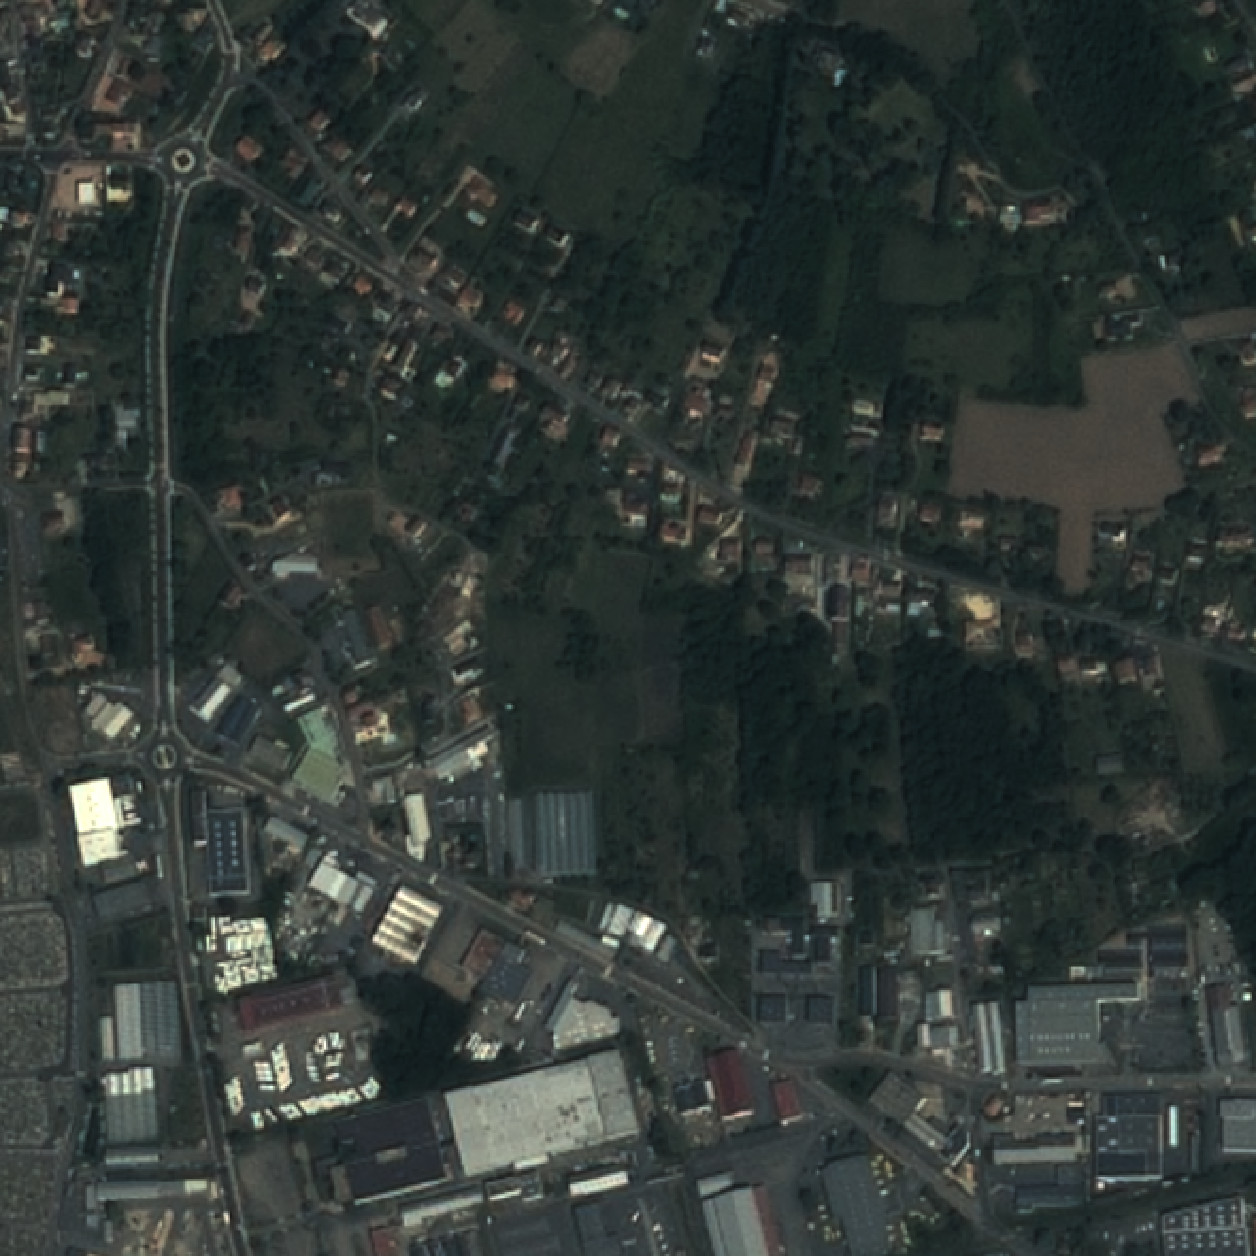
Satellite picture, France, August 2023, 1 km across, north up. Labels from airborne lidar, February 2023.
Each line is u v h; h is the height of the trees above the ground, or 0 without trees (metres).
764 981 0
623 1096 0
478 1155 0
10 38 0
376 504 0
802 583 0
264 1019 0
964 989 0
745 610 6
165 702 0
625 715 0
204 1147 0
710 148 9
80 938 0
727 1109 0
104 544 18
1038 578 13
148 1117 0
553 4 0
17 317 0
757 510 0
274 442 0
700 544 0
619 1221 0
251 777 0
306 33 23
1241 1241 0
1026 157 0
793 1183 0
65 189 0
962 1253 0
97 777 8
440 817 0
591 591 0
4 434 0
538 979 0
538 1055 0
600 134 0
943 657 10
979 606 0
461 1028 9
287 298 12
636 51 0
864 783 13
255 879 0
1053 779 17
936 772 8
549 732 0
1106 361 0
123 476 7
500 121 0
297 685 0
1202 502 11
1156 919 12
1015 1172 0
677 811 0
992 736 22
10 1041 0
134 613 0
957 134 9
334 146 0
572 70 0
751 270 22
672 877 0
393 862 0
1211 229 17
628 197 10
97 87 0
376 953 0
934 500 8
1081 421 0
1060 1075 0
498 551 14
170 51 0
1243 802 19
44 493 0
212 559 0
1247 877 21
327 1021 0
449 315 0
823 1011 0
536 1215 0
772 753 15
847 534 0
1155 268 11
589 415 0
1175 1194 0
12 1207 0
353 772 0
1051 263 8
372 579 0
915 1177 0
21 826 0
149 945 0
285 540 0
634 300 10
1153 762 12
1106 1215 0
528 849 0
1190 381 0
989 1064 0
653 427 0
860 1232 0
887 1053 0
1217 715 0
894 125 0
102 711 0
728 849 0
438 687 0
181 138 0
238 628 0
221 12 0
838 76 0
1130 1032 0
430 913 0
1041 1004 0
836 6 12
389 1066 8
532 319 0
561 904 0
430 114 0
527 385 12
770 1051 0
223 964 0
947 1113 0
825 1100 0
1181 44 0
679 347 0
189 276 0
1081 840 15
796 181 18
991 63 8
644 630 0
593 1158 0
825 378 11
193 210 0
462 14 0
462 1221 0
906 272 0
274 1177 0
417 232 0
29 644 0
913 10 0
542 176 0
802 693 12
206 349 13
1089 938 5
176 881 0
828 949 0
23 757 0
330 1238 0
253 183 0
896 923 0
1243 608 0
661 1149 10
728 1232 0
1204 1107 0
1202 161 13
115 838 0
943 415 10
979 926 0
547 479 13
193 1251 0
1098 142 15
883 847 16
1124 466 0
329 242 0
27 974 0
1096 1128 0
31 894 0
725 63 0
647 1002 0
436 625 0
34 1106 0
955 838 20
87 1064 0
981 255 0
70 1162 0
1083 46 20
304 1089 0
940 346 0
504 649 0
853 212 11
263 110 12
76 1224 0
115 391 0
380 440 0
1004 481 0
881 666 14
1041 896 0
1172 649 0
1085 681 0
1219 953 0
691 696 9
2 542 0
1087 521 0
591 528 0
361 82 0
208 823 0
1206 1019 0
